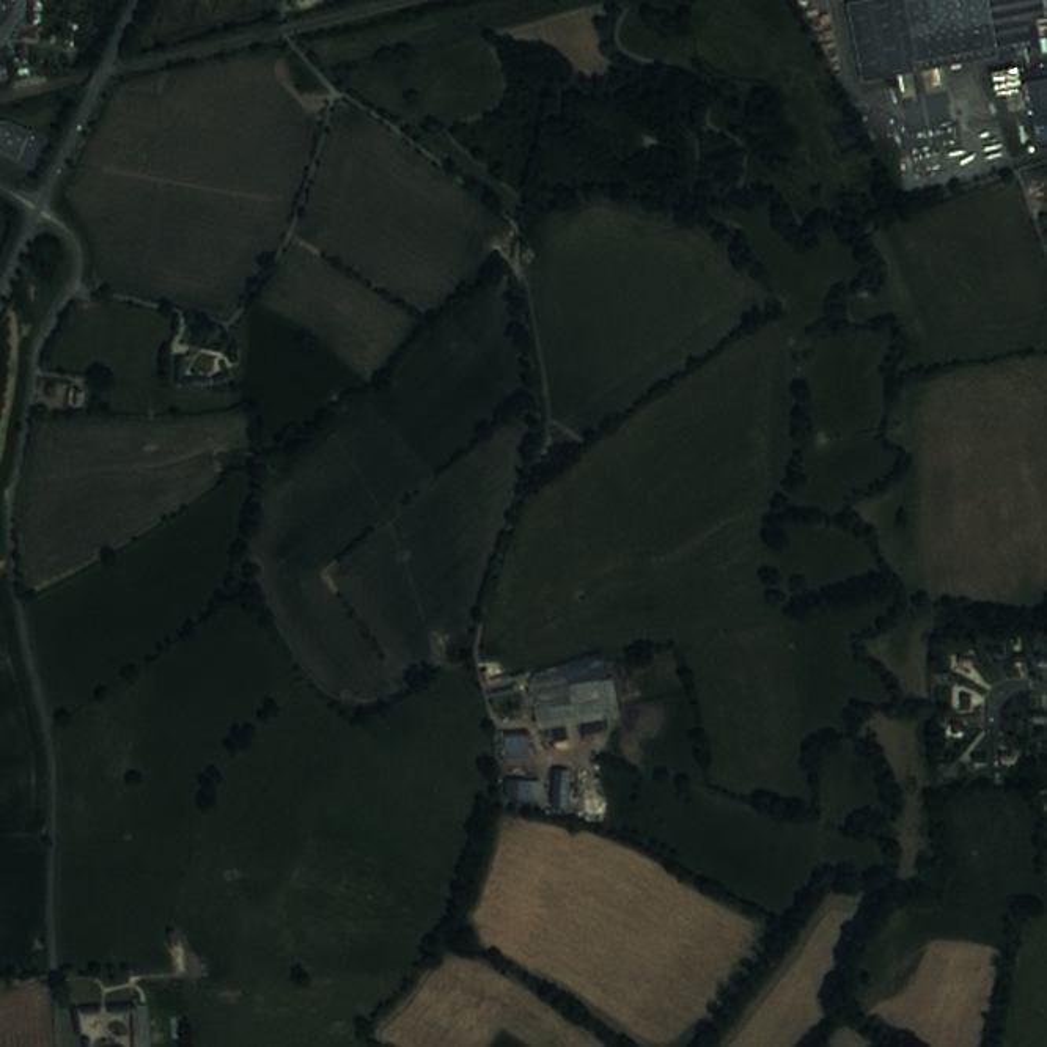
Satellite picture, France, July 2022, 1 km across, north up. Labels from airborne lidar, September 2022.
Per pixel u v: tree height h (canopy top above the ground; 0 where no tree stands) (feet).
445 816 0
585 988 0
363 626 22
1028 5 0
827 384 0
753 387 0
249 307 20
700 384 0
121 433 0
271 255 25
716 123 0
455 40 0
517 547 0
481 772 42
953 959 0
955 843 0
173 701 0
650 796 0
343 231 0
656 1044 0
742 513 0
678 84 49
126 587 0
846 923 0
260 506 71
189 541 0
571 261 0
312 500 0
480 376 0
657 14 31
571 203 52
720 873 0
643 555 0
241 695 0
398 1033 0
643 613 0
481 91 0
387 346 0
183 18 0
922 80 0
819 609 83
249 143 0
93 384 51
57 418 24
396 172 0
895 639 0
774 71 0
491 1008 0
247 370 0
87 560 0
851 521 39
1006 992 41
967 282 0
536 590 0
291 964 0
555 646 0
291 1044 0
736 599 0
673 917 0
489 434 59
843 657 0
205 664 0
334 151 0
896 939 0
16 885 0
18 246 0
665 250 0
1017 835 0
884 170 39
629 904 0
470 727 0
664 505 0
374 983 0
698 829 0
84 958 0
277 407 0
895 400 35
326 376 0
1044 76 0
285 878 0
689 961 0
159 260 0
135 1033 0
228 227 0
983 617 66
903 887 71
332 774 0
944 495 0
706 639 0
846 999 105
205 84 0
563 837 0
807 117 0
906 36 0
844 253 0
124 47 46
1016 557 0
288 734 0
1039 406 0
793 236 66
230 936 0
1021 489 0
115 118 0
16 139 0
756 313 41
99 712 0
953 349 0
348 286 0
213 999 0
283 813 0
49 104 0
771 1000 0
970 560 0
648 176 49
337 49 0
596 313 0
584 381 0
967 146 0
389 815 0
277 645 23
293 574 0
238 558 55
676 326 0
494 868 0
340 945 0
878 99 0
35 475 0
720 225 26
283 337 0
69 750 0
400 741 0
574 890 0
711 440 0
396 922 0
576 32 0
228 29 35
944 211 0
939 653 27
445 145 0
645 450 0
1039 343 0
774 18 0
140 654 0
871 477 0
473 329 0
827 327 25
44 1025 0
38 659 0
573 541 0
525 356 49
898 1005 0
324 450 0
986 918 0
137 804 0
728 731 0
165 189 0
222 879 0
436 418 0
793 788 0
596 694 0
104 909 0
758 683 0
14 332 0
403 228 0
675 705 0
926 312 0
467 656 49
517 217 23
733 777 0
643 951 0
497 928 0
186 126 0
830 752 49
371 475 0
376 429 0
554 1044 0
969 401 0
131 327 0
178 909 0
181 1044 28
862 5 0
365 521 0
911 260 0
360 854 0
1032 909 79
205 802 49
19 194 0
